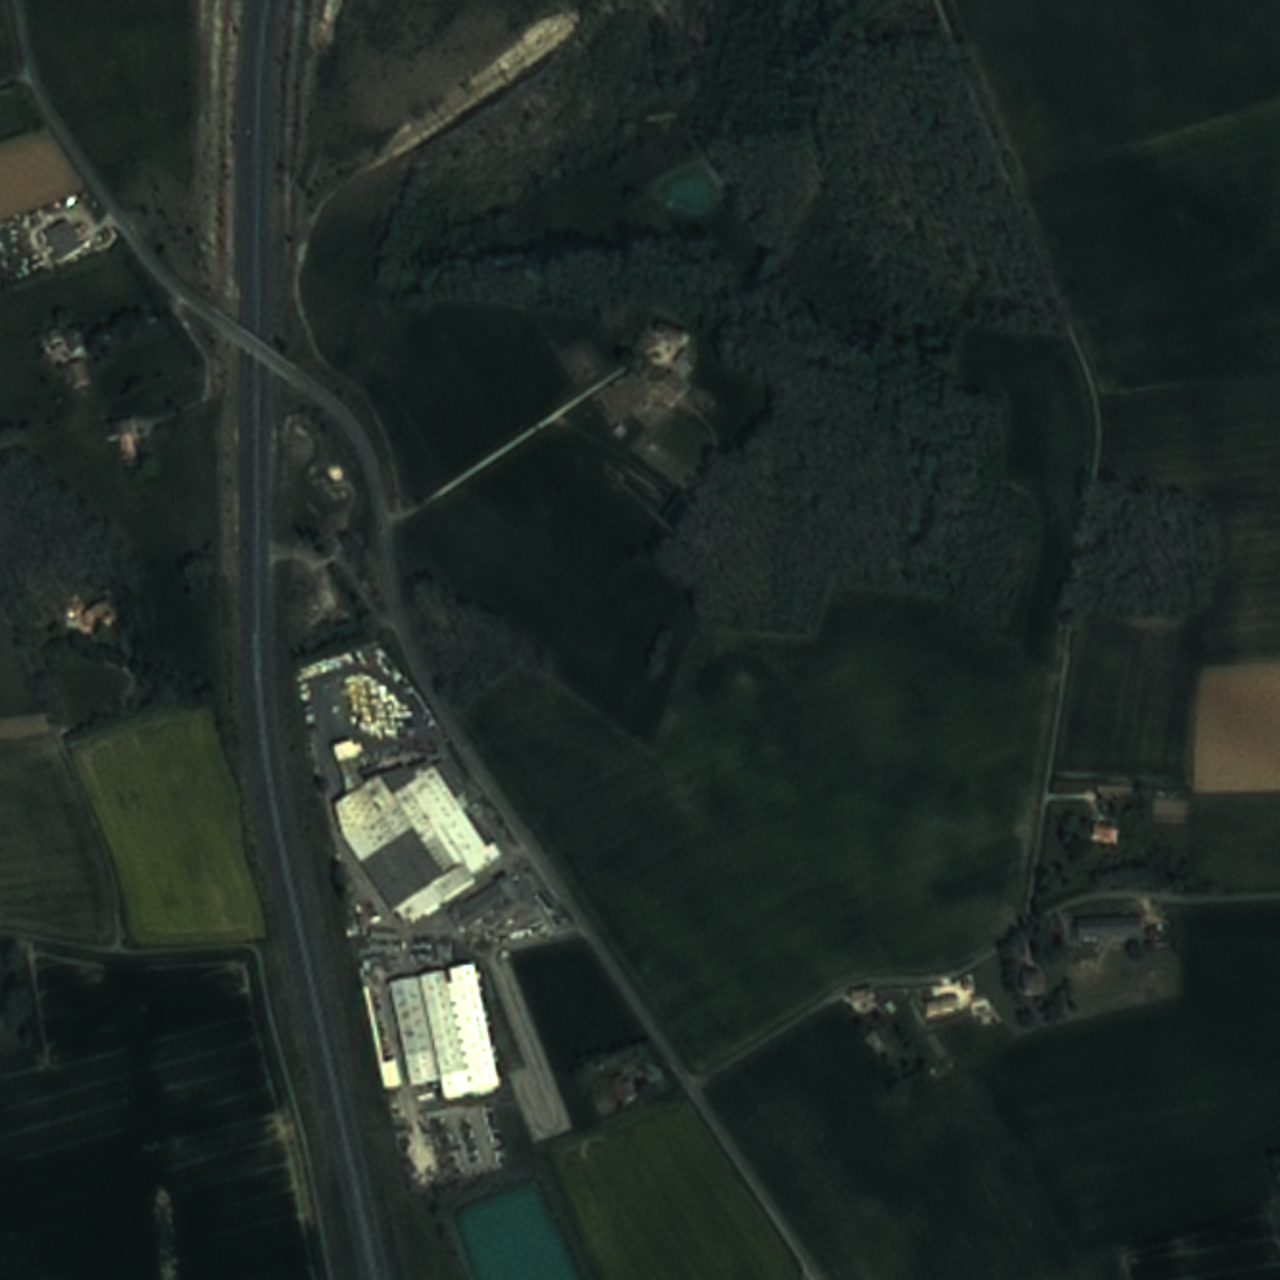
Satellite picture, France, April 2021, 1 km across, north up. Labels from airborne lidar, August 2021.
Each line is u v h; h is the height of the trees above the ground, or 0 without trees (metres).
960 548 12
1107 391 0
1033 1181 0
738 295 14
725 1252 0
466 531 0
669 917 0
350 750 0
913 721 0
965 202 18
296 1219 0
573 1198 0
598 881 0
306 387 0
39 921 0
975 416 15
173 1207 0
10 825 0
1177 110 0
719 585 19
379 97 0
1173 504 19
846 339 14
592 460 0
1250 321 0
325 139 0
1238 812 0
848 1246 0
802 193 17
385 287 12
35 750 0
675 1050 0
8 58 0
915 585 18
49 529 22
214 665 0
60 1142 0
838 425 19
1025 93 0
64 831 0
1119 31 0
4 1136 0
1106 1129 0
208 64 0
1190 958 0
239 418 0
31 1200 0
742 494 21
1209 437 0
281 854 0
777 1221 0
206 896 0
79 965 0
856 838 0
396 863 0
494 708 0
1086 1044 0
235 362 0
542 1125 0
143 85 0
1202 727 0
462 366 0
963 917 0
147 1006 0
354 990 0
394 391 0
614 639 0
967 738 0
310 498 0
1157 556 22
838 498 20
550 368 0
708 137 9
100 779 0
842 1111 0
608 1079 6
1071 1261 0
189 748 0
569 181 8
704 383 0
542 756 0
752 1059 0
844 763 0
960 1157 0
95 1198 0
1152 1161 0
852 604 0
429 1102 0
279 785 0
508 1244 0
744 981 0
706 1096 0
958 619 0
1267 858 0
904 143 15
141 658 8
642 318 0
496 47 0
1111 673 0
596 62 8
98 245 0
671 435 0
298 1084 0
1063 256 0
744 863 0
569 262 26
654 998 0
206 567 13
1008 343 0
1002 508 13
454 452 0
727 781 0
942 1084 0
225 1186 0
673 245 6
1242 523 0
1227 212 0
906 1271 0
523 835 0
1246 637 0
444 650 15
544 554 0
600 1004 0
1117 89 0
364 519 0
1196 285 0
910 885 0
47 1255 0
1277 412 0
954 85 19
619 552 0
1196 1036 0
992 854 0
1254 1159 0
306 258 0
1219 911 0
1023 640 0
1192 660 0
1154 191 0
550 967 0
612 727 0
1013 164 13
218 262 0
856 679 0
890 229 12
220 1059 0
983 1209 0
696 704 0
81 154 0
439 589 18
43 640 9
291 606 0
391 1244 0
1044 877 14
